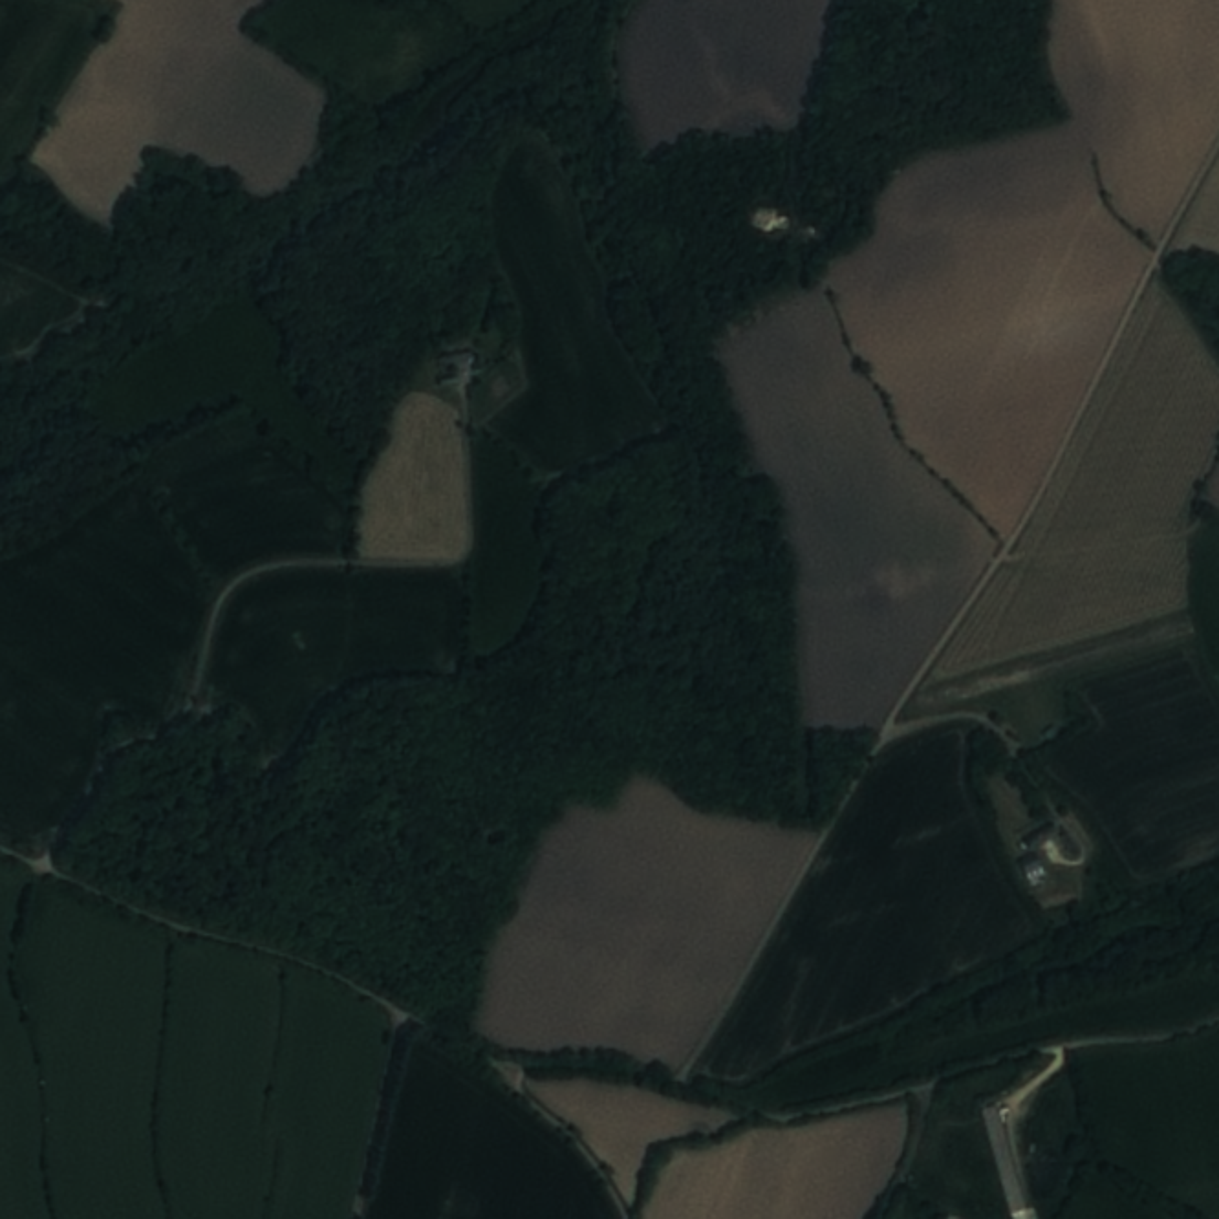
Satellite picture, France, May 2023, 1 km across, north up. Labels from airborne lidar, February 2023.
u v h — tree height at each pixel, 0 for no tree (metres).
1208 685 0
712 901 0
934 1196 0
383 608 0
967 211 0
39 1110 0
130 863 19
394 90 0
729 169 12
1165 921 9
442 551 0
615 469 16
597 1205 0
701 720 16
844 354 0
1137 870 0
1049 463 0
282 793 22
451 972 21
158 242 8
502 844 17
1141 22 0
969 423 0
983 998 18
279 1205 0
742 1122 6
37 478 26
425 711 19
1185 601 0
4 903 0
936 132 20
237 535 0
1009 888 0
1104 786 0
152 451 13
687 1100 14
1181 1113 0
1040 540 0
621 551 17
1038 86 18
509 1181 0
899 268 0
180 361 0
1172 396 0
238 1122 0
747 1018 0
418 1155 0
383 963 17
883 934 0
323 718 19
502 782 16
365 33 0
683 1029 0
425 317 15
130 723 19
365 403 25
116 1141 0
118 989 0
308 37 0
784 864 0
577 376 0
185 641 0
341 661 0
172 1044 0
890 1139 0
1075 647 0
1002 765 14
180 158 6
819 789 15
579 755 19
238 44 0
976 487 0
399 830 21
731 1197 0
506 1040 0
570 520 19
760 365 0
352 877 19
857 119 21
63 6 0
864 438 0
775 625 15
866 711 0
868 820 0
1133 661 0
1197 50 0
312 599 0
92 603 0
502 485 0
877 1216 11
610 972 0
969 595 0
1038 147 0
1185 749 0
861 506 0
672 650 17
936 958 0
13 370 6
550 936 0
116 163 0
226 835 24
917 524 0
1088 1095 11
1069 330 0
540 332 0
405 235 20
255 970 0
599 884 0
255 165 0
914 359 0
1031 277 0
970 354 0
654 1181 13
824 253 17
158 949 0
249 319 0
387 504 0
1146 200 0
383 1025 0
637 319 22
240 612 0
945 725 0
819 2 0
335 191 9
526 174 0
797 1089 0
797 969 0
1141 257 0
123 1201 0
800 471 0
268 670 0
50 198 14
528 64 9
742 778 20
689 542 12
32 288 0
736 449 19
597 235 12
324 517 0
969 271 0
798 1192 0
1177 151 0
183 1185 0
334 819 26
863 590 0
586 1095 0
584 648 17
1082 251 0
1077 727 7
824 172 9
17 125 0
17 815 0
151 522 0
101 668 0
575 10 15
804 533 0
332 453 0
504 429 0
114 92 0
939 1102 8
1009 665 0
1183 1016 0
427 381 0
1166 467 0
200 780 17
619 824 0
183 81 0
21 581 0
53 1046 0
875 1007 0
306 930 21
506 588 0
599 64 12
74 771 0
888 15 23
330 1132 0
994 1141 0
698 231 8
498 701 18
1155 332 0
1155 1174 0
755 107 0
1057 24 0
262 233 9
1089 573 0
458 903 18
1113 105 0
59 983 0
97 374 8
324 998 0
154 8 0
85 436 20
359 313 20
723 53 0
